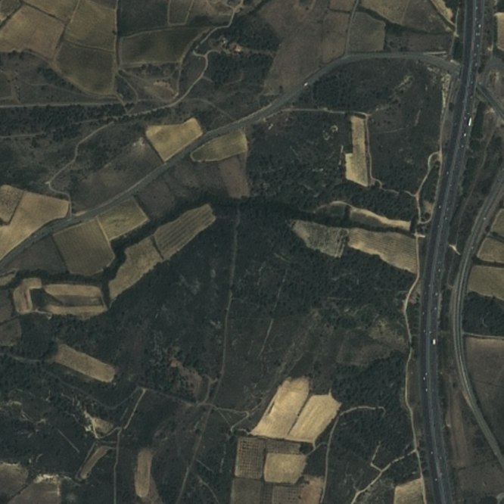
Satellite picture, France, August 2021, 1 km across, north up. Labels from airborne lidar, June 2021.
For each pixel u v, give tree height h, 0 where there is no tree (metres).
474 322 0
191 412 0
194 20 0
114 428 0
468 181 10
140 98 0
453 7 8
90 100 0
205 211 0
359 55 0
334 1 0
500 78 0
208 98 0
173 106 0
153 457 0
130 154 0
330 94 7
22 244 0
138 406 0
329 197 14
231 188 0
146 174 0
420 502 0
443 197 0
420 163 0
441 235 0
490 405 0
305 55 0
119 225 0
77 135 9
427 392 0
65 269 0
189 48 0
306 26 0
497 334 9
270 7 0
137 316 0
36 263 0
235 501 0
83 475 0
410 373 0
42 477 0
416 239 0
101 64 0
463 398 0
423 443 9
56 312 0
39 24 0
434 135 0
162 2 0
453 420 0
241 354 0
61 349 0
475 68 0
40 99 0
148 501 0
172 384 10
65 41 0
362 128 0
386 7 0
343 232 0
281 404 0
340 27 0
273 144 0
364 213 0
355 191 12
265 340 0
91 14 0
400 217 9
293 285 12
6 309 0
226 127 0
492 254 0
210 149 0
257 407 0
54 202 0
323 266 7
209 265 0
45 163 0
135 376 0
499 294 0
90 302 0
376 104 0
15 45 0
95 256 0
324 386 0
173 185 0
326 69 0
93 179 0
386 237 0
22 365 8
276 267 6
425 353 0
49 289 0
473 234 0
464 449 0
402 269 0
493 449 0
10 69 0
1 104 0
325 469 0
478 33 0
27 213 0
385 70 0
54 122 10
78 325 7
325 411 0
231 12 0
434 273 0
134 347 0
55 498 0
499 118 0
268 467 0
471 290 0
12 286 8
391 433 8
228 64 6
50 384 6
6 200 0
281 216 15
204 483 0
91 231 0
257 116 0
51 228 0
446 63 0
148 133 0
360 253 9
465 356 0
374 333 0
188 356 8
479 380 0
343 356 0
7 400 6
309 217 6
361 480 0
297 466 0
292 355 0
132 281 0
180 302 0
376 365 11
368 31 0
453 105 8
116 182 0
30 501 0
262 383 0
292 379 0
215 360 0
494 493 0
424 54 0
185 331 0
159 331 0
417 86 0
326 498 0
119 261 7
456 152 0
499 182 0
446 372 0
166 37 0
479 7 0
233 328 0
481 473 0
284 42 0
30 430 7
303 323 0
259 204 9
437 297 0
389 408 9
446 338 0
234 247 0
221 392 0
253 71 0
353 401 9
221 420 0
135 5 0
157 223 8
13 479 0
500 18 0
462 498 0
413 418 0
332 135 0
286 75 0
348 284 9
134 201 0
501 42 0
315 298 7
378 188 8
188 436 0
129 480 0
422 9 0
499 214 0
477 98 0
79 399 7
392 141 0
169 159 0
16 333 0
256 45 11
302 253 6
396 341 0
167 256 0
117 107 11
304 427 0
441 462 0
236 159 0
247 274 0
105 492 0
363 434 8
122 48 0
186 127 0
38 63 0
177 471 0
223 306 0
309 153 0
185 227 0
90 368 0
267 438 0
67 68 0
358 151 0
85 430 0
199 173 0
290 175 7
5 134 6
